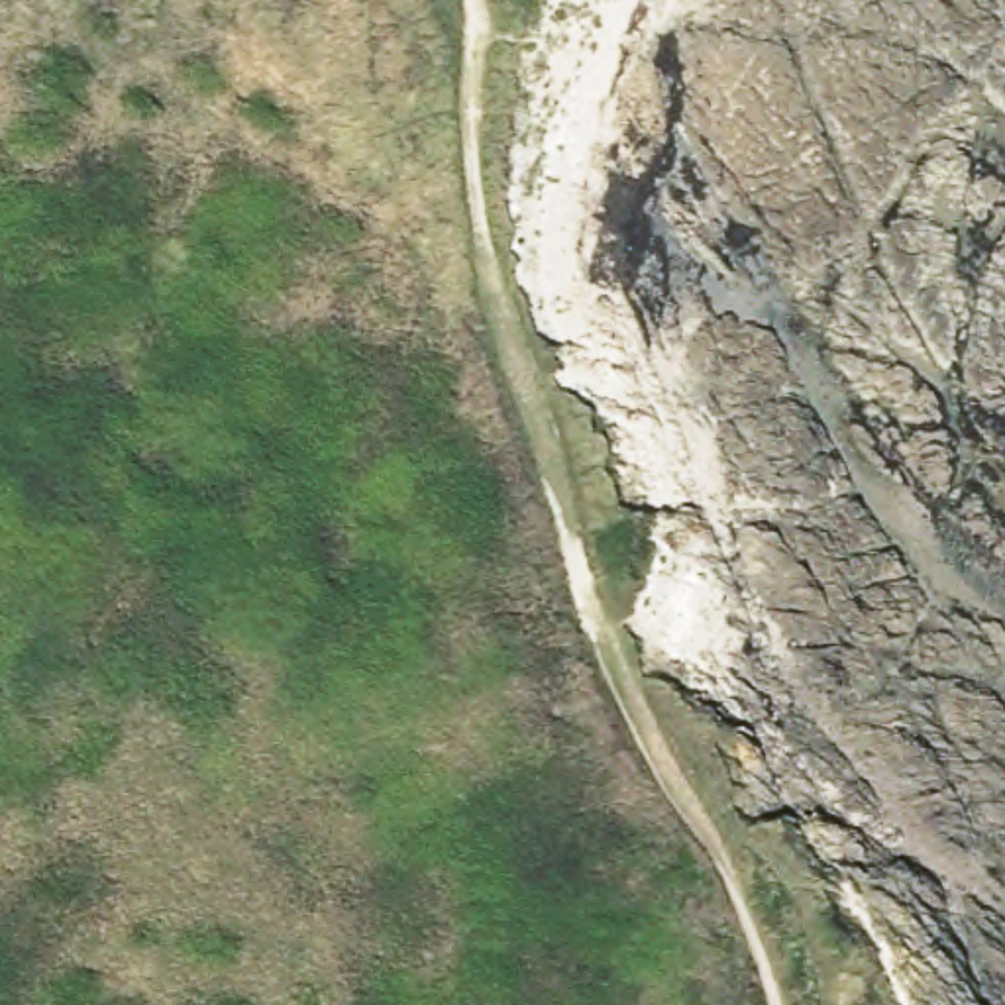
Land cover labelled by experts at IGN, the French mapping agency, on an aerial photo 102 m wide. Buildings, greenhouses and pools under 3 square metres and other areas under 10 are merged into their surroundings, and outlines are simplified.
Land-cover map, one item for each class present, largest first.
<instances>
[{"label":"herbaceous vegetation","instance_id":"1","mask_svg":"<svg viewBox=\"0 0 1005 1005\"><path fill-rule=\"evenodd\" d=\"M0 1005H766L758 966L738 930L726 883L711 864L707 844L691 832L675 801L667 797L663 781L656 777L652 762L636 746L573 608V589L557 546L554 514L538 479L534 440L526 432L522 404L499 353L491 291L479 275V243L463 169V0H0ZM546 0H487L491 27L483 51L479 169L491 243L510 302L526 294V287L518 283L514 255L518 224L510 216L506 196L514 118L518 106H530V90L522 86L518 71L522 51L534 47V27L542 20ZM656 506L644 499H624L620 518L597 530V538L585 546L593 577L601 573L608 585H624L632 577L644 589L652 569ZM762 930L785 915L793 895L785 891V883L766 879L746 895Z\"/></svg>","mask_w":1005,"mask_h":1005},{"label":"bare soil","instance_id":"2","mask_svg":"<svg viewBox=\"0 0 1005 1005\"><path fill-rule=\"evenodd\" d=\"M522 86L530 90V106H518L514 118L506 196L510 216L518 224L514 255L518 283L526 287V294L510 302L518 338L534 361V385L550 408V424L557 428V451L569 487V526L585 546L597 538V530L620 518L624 499H644L656 506L652 569L644 589L632 577L624 585H608L601 573L593 577L601 612L632 616V628L620 636L628 660L660 663L648 667L640 679L644 699L679 769L691 777L703 809L718 824L746 895L766 879L785 883V891L793 895L785 915L762 930L785 1005H1005V0H546L542 20L534 27V47L522 51L518 71Z\"/></svg>","mask_w":1005,"mask_h":1005},{"label":"pervious surface","instance_id":"3","mask_svg":"<svg viewBox=\"0 0 1005 1005\"><path fill-rule=\"evenodd\" d=\"M491 27L487 0H463V169L479 243V275L491 291L499 353L522 404L526 432L534 440L538 479L554 514L557 546L573 589V608L636 746L652 762L656 777L663 781L667 797L675 801L691 832L707 844L711 864L726 883L738 930L758 966L766 1005H785L762 930L746 895L718 824L703 809L691 777L679 769L644 699L640 679L648 667L660 663L628 660L620 636L632 628V616L601 612L593 577L585 546L569 526V487L557 451V428L550 424V408L534 385V361L518 338L510 302L491 243L479 169L483 51Z\"/></svg>","mask_w":1005,"mask_h":1005}]
</instances>
